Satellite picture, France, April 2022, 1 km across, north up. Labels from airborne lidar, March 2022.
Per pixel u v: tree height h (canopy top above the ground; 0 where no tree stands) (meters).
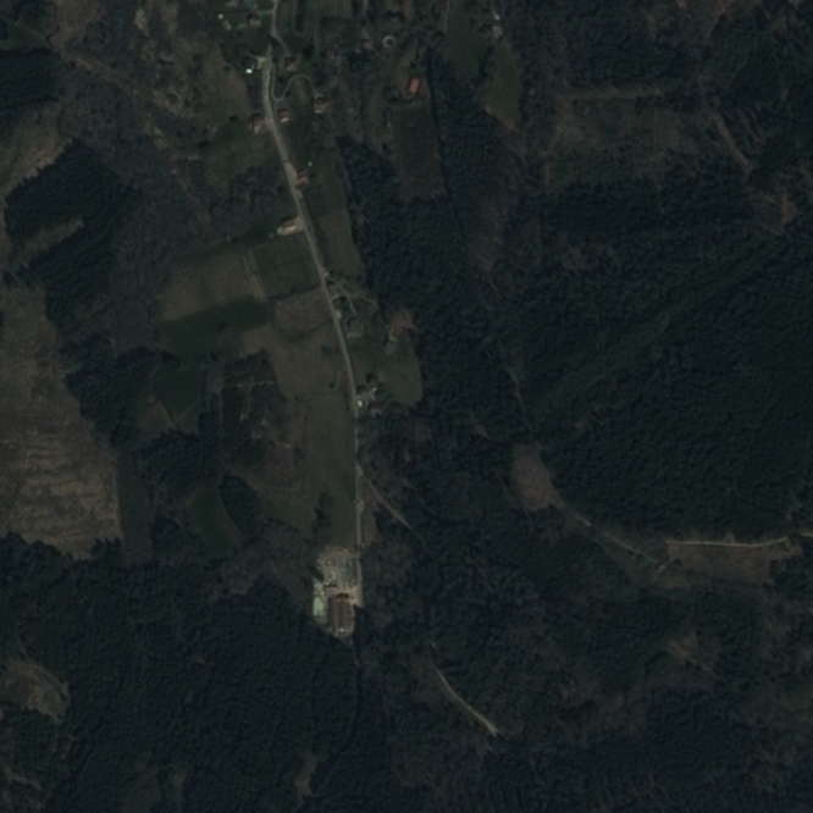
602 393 12
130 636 22
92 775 28
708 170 14
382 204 32
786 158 8
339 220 0
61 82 20
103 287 25
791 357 20
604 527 21
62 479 0
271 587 19
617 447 26
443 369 26
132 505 7
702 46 24
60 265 26
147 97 0
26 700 0
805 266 20
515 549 25
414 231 27
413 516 28
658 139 0
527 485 0
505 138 25
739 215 14
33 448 0
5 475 0
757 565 0
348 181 13
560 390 18
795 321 27
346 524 0
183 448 28
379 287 29
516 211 21
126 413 20
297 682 30
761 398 30
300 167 0
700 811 22
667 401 25
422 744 36
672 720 23
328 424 0
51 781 14
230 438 6
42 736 20
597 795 22
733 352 23
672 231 17
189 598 22
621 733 15
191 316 0
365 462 12
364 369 0
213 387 14
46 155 0
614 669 25
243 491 26
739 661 27
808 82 10
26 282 28
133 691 28
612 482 17
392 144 7
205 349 0
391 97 12
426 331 24
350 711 30
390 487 13
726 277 14
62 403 0
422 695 11
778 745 9
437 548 32
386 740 12
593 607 19
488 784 21
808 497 8
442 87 25
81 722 14
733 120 38
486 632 25
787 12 39
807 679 15
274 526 15
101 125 17
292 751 30
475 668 17
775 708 18
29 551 36
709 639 18
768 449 16
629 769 24
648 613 20
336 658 32
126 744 29
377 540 0
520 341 20
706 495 24
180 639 19
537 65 17
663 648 22
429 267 24
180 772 18
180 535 29
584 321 17
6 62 23
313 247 0
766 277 8
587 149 0
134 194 22
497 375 23
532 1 18
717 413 26
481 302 23
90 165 23
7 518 0
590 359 15
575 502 17
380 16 12
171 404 0
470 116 20
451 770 16
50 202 24
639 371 12
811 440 18
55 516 0
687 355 23
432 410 19
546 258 7
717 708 28
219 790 33
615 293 26
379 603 10
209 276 0
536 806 24
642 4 26
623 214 15
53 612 15
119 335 7
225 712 26
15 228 25
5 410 0
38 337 0
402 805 28
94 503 0
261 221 15
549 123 16
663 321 20
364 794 31
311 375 0
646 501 22
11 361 0
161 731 26
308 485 0
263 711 30
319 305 0
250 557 18
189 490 30
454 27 0
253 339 0
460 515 28
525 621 30
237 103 0
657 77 27
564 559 20
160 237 21
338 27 9
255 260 0
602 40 25
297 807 16
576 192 12
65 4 0
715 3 23
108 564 8
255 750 29
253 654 32
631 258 28
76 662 12
